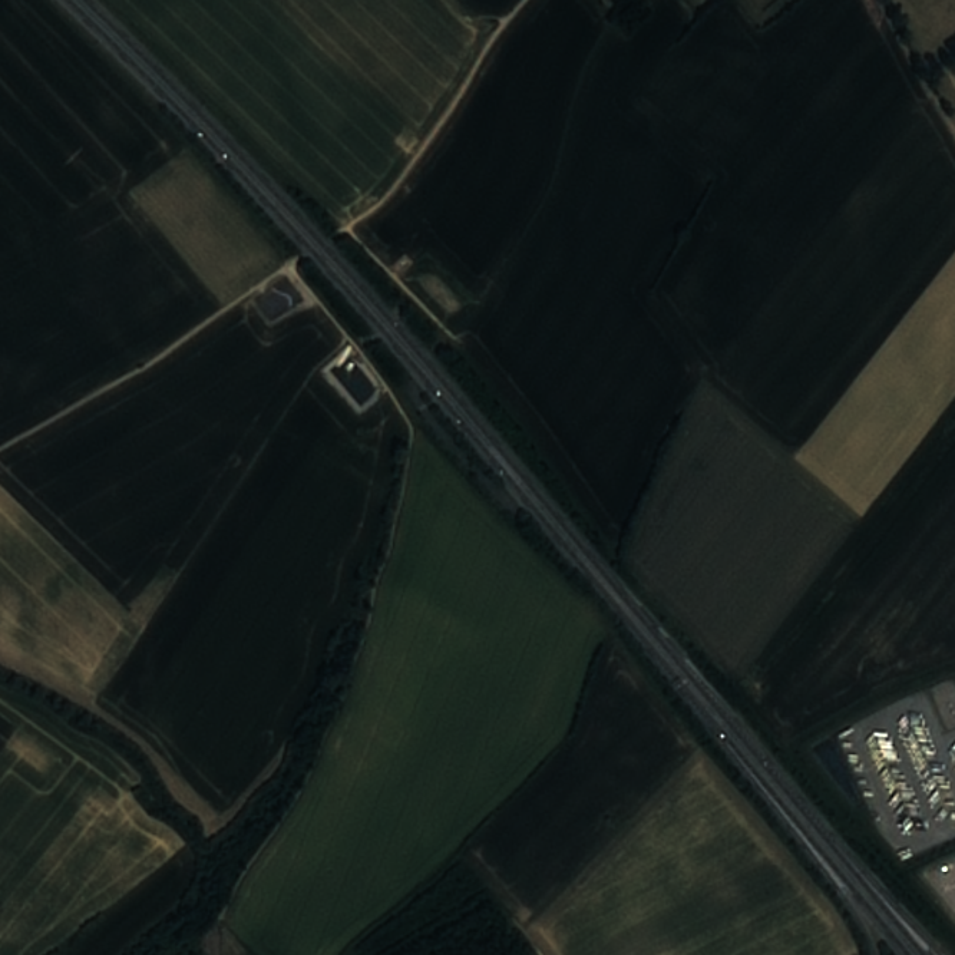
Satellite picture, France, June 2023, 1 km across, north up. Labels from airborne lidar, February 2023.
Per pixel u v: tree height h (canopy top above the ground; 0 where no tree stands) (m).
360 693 0
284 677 0
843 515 0
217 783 0
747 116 0
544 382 0
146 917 0
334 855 0
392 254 0
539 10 0
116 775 0
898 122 0
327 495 0
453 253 0
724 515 0
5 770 0
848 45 0
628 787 0
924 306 0
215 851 5
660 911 0
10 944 0
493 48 0
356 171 0
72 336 0
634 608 0
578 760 0
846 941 0
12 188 0
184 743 0
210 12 0
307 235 0
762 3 0
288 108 0
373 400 0
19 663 0
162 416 0
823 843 0
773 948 0
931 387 0
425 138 0
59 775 0
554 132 0
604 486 0
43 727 0
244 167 0
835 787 0
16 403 0
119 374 0
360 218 0
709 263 0
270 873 0
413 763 0
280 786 7
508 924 9
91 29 0
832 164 0
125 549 0
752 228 0
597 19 0
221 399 0
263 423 0
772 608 0
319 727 7
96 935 0
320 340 0
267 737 0
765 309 0
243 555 0
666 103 0
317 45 0
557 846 0
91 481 0
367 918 0
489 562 0
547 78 0
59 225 0
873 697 0
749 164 0
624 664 0
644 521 0
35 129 0
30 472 0
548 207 0
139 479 0
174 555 0
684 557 0
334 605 0
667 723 0
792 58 0
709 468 0
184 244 0
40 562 0
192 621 0
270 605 0
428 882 0
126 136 0
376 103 0
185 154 0
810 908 0
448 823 0
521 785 0
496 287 0
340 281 0
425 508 0
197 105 0
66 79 0
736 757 0
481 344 0
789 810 0
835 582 0
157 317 0
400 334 0
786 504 0
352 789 0
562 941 0
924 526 0
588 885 0
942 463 0
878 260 0
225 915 0
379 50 0
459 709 0
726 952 0
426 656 0
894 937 0
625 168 0
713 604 0
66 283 0
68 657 0
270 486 0
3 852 0
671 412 0
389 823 0
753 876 0
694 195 0
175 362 0
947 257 0
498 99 0
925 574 0
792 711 0
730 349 0
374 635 0
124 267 0
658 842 0
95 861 0
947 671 0
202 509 0
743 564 0
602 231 0
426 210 0
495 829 0
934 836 0
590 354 0
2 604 0
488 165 0
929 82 16
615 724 0
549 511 0
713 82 0
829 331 0
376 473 0
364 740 0
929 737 0
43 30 0
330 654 8
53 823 0
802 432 0
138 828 0
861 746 0
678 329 0
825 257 0
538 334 0
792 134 0
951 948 0
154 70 0
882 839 0
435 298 0
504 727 0
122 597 0
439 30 0
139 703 0
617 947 0
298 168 0
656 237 0
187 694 0
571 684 0
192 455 0
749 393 0
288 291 0
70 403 0
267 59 0
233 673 0
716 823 0
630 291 0
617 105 0
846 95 0
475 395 12
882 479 0
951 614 0
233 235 0
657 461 6
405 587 0
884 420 0
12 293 0
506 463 0
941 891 0
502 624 0
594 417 0
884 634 0
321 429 0
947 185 0
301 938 0
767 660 0
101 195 0
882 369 0
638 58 0
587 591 8
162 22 0
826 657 0
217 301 0
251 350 0
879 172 0
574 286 0
